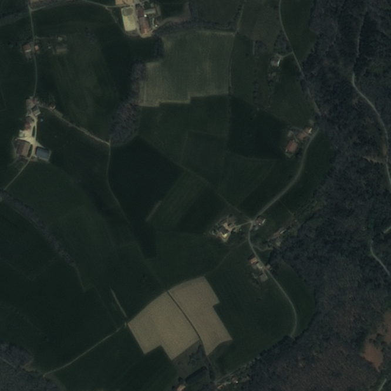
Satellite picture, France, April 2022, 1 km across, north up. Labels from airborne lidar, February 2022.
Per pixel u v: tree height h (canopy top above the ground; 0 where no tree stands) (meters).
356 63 22
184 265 0
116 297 0
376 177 11
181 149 0
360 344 29
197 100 0
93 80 0
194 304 0
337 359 35
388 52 14
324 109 22
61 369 0
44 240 0
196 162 0
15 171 0
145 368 0
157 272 0
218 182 0
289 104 0
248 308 0
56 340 0
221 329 0
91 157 0
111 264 0
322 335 25
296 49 0
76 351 0
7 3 0
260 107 0
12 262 0
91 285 0
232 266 0
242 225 0
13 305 0
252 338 0
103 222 0
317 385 33
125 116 26
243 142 0
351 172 27
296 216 7
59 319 0
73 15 0
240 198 0
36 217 20
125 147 0
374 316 28
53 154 0
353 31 25
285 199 0
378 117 24
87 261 0
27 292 0
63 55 0
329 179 25
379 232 30
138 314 0
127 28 0
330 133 29
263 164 0
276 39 0
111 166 0
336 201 27
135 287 0
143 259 0
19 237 0
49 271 0
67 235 0
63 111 0
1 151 0
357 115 32
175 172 0
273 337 0
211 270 0
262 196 0
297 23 0
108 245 0
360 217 32
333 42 22
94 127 0
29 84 0
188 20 0
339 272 32
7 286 0
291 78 0
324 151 0
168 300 0
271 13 0
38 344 0
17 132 0
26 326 0
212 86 0
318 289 21
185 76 0
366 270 25
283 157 0
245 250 0
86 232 0
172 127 0
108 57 0
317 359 29
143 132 0
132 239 0
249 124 0
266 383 28
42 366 0
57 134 0
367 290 32
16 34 0
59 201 0
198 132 0
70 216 0
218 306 0
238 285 0
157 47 17
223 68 0
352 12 19
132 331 0
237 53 0
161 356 0
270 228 0
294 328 0
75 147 0
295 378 32
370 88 30
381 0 33
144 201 0
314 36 0
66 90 0
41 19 0
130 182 0
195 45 0
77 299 0
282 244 0
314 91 24
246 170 0
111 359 0
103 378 0
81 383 0
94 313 0
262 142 0
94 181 0
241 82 0
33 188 0
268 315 0
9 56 0
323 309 25
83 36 0
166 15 0
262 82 0
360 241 13
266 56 0
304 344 26
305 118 0
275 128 0
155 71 0
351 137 10
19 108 0
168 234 0
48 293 0
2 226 0
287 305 0
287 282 0
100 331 0
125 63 0
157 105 0
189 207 0
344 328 27
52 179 0
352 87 26
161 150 0
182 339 0
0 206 0
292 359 25
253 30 0
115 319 0
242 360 0
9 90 0
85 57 0
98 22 0
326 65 16
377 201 20
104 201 0
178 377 0
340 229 32
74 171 0
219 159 0
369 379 34
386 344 18
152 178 0
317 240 23
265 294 0
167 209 0
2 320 0
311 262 32
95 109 0
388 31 36
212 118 0
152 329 0
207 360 22
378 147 14
